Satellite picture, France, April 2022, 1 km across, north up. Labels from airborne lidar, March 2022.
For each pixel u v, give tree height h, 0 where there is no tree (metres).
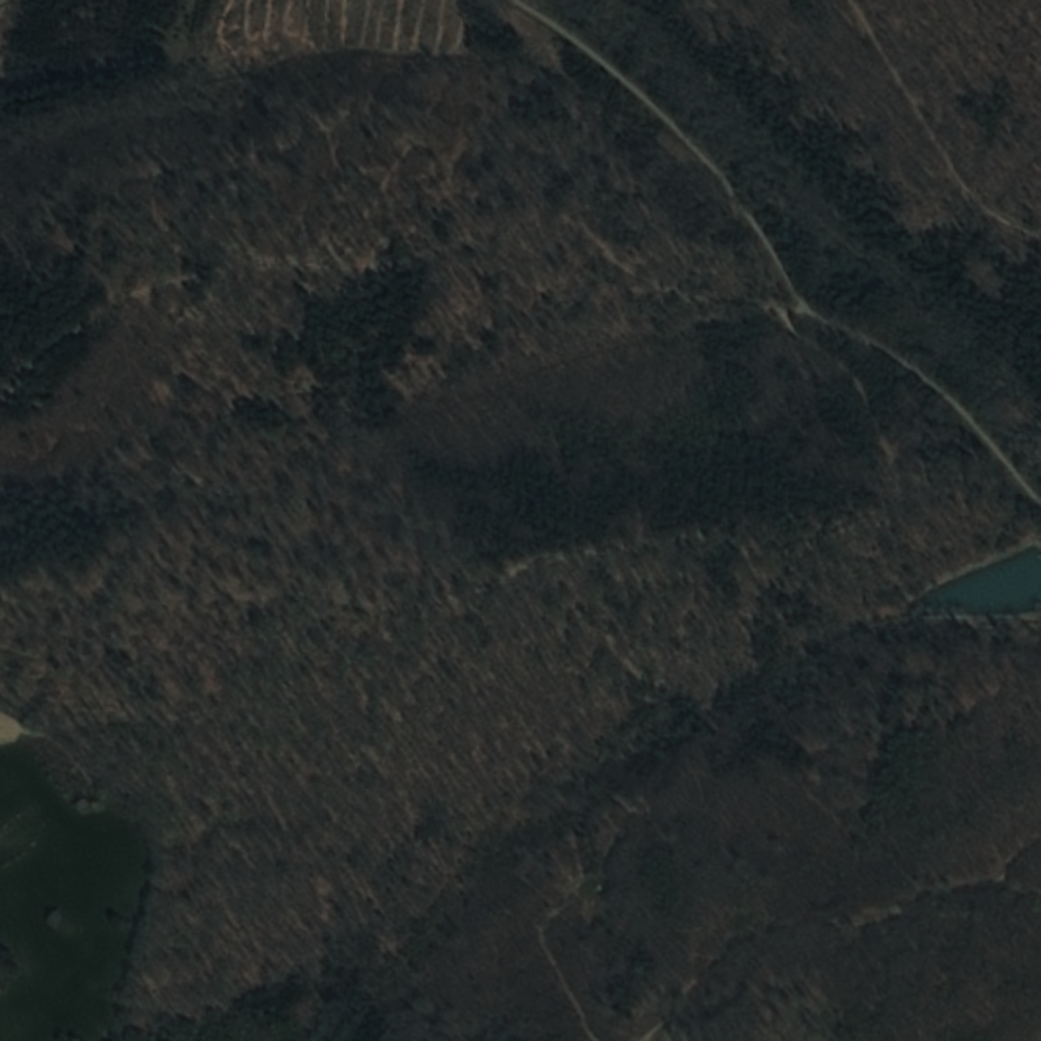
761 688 18
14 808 0
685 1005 27
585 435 19
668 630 27
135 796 24
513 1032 24
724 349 19
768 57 20
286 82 10
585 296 26
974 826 15
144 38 12
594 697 29
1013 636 20
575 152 27
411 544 29
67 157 12
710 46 25
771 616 26
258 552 20
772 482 18
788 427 20
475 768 28
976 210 21
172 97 21
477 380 33
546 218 29
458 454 21
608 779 7
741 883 19
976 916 15
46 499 20
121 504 33
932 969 16
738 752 17
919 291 22
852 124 21
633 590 24
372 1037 24
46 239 24
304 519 37
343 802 27
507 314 29
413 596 26
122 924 16
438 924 20
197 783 31
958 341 22
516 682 28
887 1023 15
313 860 29
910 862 14
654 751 12
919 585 27
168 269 27
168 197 29
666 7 28
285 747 27
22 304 18
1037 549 0
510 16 26
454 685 27
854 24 26
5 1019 0
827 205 24
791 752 18
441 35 0
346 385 23
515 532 21
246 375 29
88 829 0
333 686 26
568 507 22
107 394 15
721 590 26
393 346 15
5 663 0
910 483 27
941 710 13
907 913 14
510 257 30
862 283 20
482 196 31
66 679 29
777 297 11
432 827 25
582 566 22
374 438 31
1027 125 14
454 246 23
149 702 27
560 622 27
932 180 25
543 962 8
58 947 0
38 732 24
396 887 26
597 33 21
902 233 27
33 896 0
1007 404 22
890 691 11
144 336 15
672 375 16
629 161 25
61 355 24
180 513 28
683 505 20
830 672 28
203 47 0
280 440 32
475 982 12
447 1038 26
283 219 31
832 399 18
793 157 28
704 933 19
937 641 18
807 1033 0
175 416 19
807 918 13
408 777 30
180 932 34
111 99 35
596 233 23
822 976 17
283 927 28
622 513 18
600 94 8
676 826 11
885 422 19
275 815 30
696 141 26
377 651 26
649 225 33
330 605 30
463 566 29
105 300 20
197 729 30
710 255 18
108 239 13
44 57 11
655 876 20
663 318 24
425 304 28
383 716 26
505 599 25
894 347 14
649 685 15
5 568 33
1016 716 13
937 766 19
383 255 25
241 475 35
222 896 32
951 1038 11
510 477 25
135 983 25
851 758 25
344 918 29
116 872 0
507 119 31
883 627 26
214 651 30
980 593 0
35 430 13
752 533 19
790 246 27
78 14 9
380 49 0
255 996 29
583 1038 8
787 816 14
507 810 27
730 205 17
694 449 20
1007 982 12
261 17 0
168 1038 21
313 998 10
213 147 9
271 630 30
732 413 19
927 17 26
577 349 29
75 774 7
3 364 22
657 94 25
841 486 16
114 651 29
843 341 18
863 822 12
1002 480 29
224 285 29
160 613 32
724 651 25
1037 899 15
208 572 30
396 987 20
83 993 0
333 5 0
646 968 20
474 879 20
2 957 22
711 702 18
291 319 24
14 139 28
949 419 25
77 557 30
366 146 7
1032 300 30
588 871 7
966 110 17
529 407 18
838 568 29
